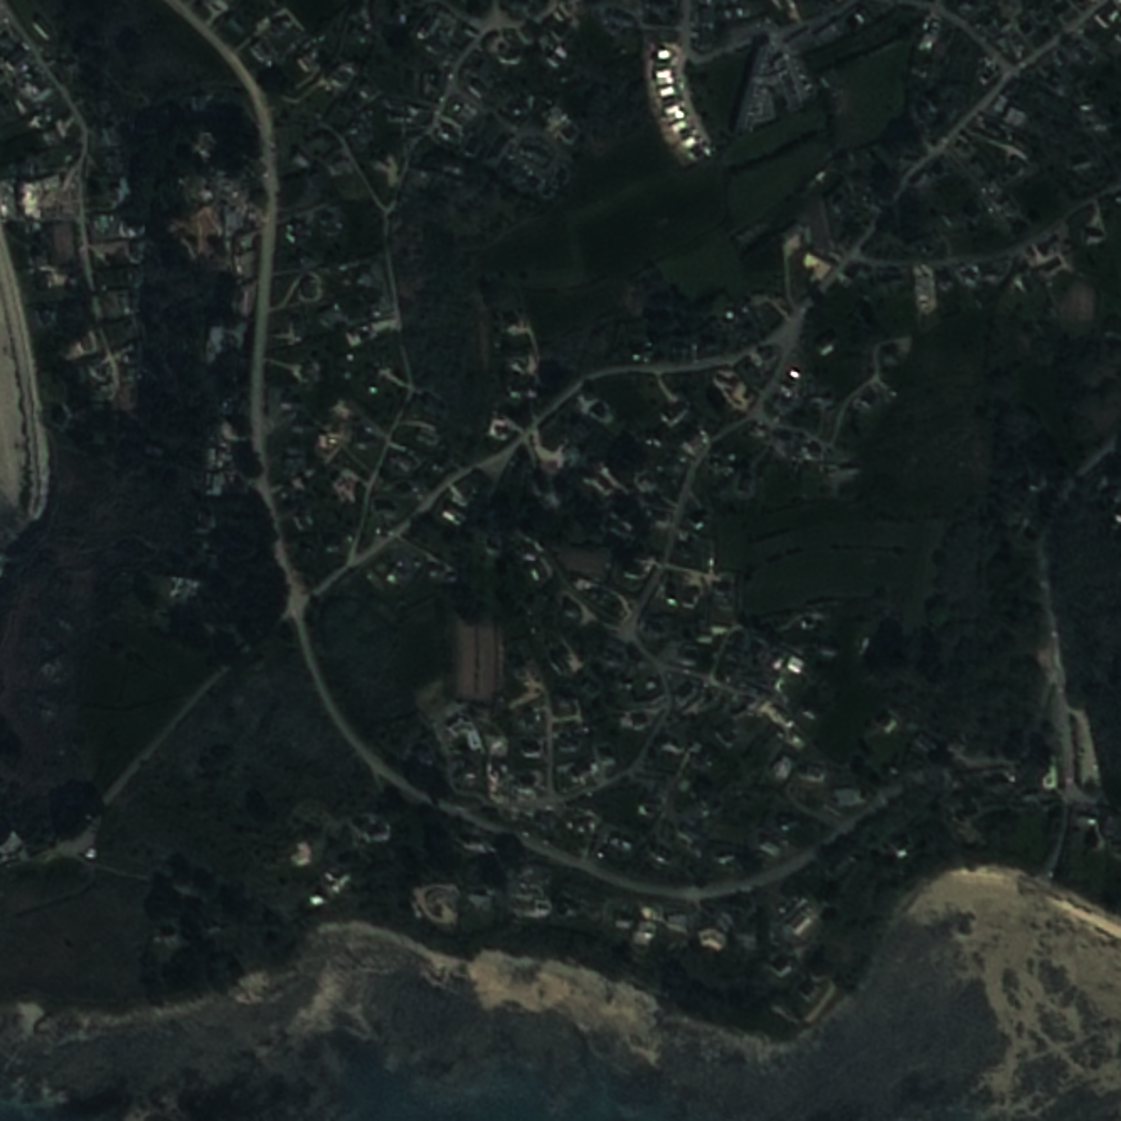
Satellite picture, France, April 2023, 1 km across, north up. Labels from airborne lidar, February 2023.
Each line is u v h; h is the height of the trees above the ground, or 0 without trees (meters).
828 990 0
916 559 0
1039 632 22
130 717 0
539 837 0
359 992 0
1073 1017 0
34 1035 0
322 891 10
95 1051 0
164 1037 0
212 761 7
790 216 0
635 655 11
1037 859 0
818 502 0
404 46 14
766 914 10
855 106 0
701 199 0
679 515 0
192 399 12
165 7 0
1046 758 17
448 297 6
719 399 11
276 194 0
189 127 13
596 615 0
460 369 10
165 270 22
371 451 0
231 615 18
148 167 17
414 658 0
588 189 0
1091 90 7
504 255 0
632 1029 0
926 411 0
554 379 17
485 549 0
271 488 0
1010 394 13
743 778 9
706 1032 0
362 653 6
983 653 12
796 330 0
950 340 0
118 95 8
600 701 7
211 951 9
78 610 0
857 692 0
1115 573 11
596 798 8
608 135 9
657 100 0
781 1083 0
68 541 0
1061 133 14
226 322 15
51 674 0
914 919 0
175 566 13
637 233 0
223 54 0
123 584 0
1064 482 20
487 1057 0
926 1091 0
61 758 0
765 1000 15
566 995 0
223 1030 0
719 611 0
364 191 0
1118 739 14
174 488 13
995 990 0
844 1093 0
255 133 9
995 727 12
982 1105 0
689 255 0
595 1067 0
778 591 0
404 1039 0
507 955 7
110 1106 0
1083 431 10
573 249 0
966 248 0
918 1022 0
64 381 14
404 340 9
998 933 0
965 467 0
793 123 0
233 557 16
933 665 8
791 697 0
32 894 0
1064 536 19
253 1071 0
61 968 0
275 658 0
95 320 20
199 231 0
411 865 18
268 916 12
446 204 18
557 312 0
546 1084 0
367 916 9
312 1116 0
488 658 0
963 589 10
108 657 0
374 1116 0
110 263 8
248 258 0
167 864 7
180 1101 0
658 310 11
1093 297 0
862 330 8
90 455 16
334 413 0
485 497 9
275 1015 0
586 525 15
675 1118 0
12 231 8
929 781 11
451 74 0
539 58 9
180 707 0
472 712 9
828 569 0
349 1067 0
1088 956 0
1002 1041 0
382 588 0
